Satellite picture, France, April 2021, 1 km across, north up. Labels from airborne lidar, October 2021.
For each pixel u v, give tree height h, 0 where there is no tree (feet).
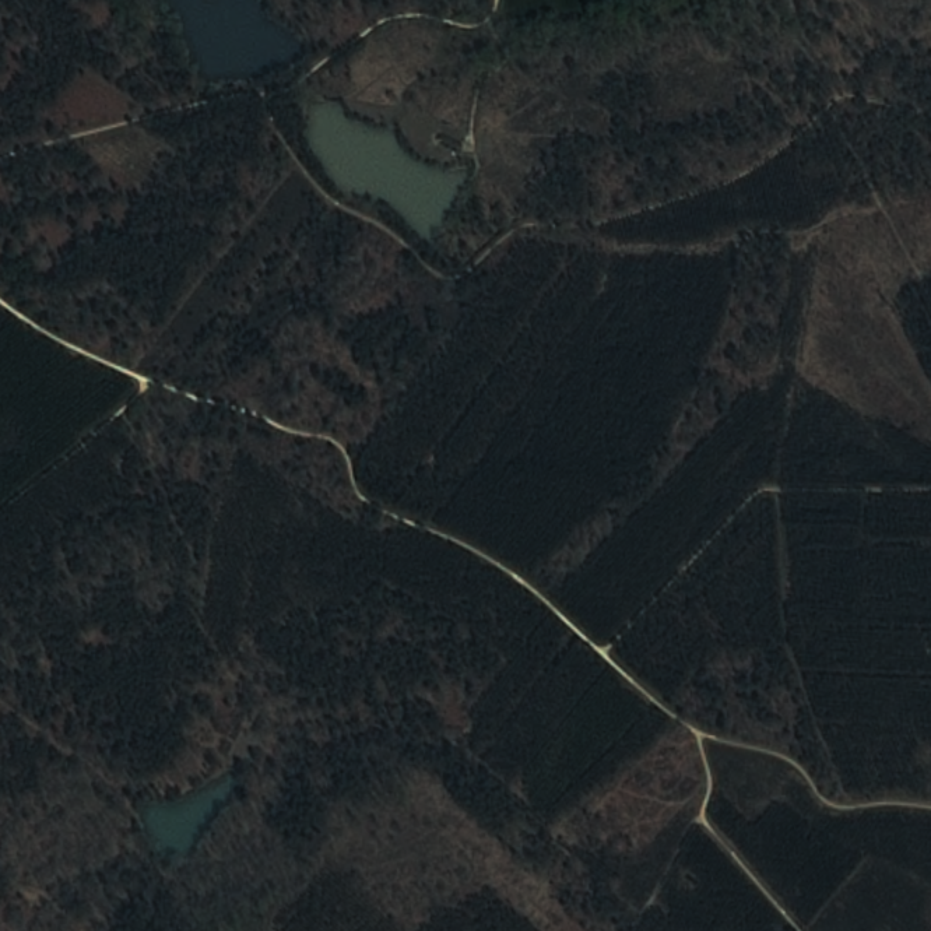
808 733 50
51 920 45
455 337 38
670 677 53
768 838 31
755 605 39
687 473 39
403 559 44
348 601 43
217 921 65
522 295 42
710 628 50
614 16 66
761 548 46
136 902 74
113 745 68
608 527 53
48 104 64
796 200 37
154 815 0
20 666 43
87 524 55
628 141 76
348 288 37
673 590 52
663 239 38
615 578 39
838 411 24
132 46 70
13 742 60
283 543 43
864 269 0
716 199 43
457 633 56
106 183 48
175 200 56
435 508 47
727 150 26
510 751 41
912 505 36
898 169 39
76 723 62
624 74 45
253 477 45
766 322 33
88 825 50
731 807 29
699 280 40
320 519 40
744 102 48
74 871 56
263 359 63
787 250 77
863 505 34
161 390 52
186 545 60
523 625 44
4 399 31
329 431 42
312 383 51
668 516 42
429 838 0
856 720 39
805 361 0
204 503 53
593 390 36
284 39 0
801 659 47
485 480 44
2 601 37
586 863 34
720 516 34
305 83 57
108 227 27
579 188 88
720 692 41
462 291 61
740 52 54
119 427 44
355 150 0
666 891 29
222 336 45
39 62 54
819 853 31
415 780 46
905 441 34
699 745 0
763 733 27
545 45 66
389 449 45
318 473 32
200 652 63
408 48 0
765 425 39
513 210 0
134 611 78
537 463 35
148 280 62
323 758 68
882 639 38
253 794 62
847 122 0
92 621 71
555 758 37
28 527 43
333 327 63
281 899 48
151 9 75
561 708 42
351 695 66
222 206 62
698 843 33
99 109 0
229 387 24
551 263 51
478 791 47
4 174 63
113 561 51
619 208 20
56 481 45
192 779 76
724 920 27
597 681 38
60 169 55
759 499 44
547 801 33
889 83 33
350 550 44
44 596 40
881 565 31
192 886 65
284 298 34
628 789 0
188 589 67
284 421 49
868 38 49
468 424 43
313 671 60
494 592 44
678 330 37
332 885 29
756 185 35
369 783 74
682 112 0
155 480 54
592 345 37
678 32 39
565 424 47
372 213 43
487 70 79
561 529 42
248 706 62
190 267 64
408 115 0
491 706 41
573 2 0
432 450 38
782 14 83
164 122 60
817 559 37
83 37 39
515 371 50
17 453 23
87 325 60
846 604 39
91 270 61
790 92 58
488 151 0
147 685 63
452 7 68
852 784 35
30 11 57
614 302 31
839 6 42
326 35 43
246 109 66
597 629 37
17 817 57
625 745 42
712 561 37
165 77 46
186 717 66
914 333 46
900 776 35
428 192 0
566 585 33
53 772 45
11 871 52
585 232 38
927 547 38
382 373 60
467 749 39
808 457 30
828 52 48
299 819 69
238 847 45
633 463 38
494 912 42
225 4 0
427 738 69
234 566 37
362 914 26
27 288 70
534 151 0
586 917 20
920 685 34
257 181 55
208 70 0
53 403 38
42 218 72
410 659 57
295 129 65
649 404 39
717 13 41
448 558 44
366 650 43
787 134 39
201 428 69
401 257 25
